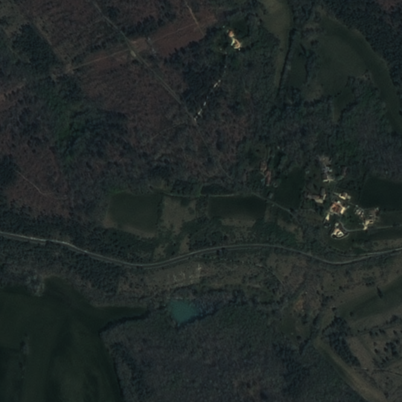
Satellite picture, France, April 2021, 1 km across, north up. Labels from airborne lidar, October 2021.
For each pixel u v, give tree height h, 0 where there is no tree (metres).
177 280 0
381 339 0
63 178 10
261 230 6
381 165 17
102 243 19
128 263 10
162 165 20
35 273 21
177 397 17
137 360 10
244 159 11
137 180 18
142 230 0
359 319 0
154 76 16
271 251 13
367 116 22
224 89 12
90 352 0
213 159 19
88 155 15
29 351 11
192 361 16
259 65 22
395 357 17
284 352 19
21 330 0
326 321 0
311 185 14
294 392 25
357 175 21
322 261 13
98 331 0
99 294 16
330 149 14
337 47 0
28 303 0
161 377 15
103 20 15
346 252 6
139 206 0
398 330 0
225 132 11
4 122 8
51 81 18
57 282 0
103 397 0
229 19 18
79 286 16
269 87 20
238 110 21
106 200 20
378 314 0
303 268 8
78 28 15
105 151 25
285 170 8
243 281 12
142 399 14
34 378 0
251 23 19
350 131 22
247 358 14
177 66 23
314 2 15
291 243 7
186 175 18
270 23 0
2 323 0
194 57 14
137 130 13
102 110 12
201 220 7
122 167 13
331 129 14
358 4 24
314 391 22
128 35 15
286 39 0
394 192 0
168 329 20
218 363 12
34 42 19
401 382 0
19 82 14
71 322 0
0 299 0
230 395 16
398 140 21
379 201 0
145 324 23
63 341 0
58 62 22
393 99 0
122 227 0
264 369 15
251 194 14
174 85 11
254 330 21
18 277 16
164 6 24
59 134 23
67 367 0
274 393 13
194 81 23
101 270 12
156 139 9
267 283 9
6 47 9
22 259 13
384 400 0
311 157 17
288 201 0
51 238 12
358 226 0
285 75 13
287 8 0
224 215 0
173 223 0
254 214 0
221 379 15
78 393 0
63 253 8
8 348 0
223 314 23
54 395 0
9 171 19
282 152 9
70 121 17
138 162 18
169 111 14
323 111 11
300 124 14
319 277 16
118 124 25
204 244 7
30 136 22
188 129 17
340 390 25
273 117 19
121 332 23
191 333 18
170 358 19
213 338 16
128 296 13
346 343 11
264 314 17
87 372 0
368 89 16
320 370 22
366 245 15
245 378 19
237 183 17
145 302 24
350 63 0
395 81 19
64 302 0
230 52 18
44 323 0
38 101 18
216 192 7
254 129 6
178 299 16
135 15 5
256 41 11
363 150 20
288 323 0
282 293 17
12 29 0
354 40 0
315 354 20
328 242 0
